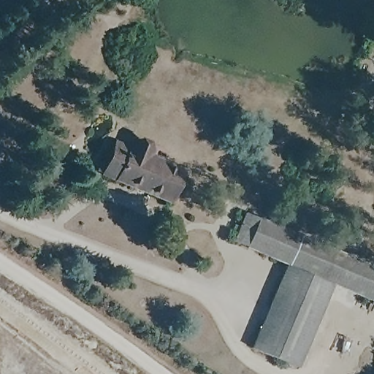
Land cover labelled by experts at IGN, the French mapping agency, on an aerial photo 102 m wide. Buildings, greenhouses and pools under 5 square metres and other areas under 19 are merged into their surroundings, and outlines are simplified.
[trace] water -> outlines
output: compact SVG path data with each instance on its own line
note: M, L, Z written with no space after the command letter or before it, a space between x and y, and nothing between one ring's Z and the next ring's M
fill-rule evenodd
M299 77L299 69L302 69L311 58L326 60L332 57L335 66L343 66L352 61L359 67L359 60L373 53L374 47L374 0L302 0L305 3L305 12L291 15L282 7L276 6L276 0L156 0L162 22L171 39L180 42L191 53L221 58L228 64L259 67L294 79Z

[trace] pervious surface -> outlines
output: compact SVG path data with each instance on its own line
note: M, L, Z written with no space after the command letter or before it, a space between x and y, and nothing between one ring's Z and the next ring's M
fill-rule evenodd
M3 254L0 257L0 273L4 278L15 280L35 297L44 299L61 313L76 318L79 323L110 343L112 348L127 356L148 374L172 374L124 335L114 332L104 320L93 316L88 310L89 307L86 304L73 297L70 292L64 295L51 285L10 259L10 256Z
M61 333L47 318L39 316L7 292L0 292L0 317L34 339L53 358L63 362L67 367L79 368L76 374L118 374L107 367L104 359L93 354L96 342L85 340L85 346L80 348L77 340Z
M25 367L19 364L12 352L4 349L0 354L0 374L25 374Z
M374 298L367 299L361 295L355 297L354 291L337 285L302 368L297 370L276 367L267 362L264 356L254 354L251 348L256 346L260 326L266 321L288 264L272 264L269 260L257 256L253 248L238 247L229 243L226 240L229 231L224 225L229 222L229 212L234 207L244 210L251 205L241 200L226 200L224 213L216 218L213 224L196 221L186 221L183 224L187 232L190 229L206 229L212 232L213 243L225 259L224 270L218 278L206 278L202 272L188 266L184 267L183 272L172 272L112 250L107 245L95 243L82 235L66 231L64 224L77 212L85 209L86 205L82 200L76 199L61 213L45 212L35 219L15 218L12 215L10 212L0 213L0 221L38 235L47 243L86 248L96 256L107 257L115 266L126 267L131 273L178 289L202 302L218 323L231 351L247 367L259 374L358 374L362 370L358 365L359 355L374 339Z

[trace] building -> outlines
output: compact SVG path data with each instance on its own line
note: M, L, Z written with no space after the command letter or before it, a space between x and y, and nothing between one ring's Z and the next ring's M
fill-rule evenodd
M188 178L186 164L178 164L168 155L158 155L152 140L139 139L133 145L126 146L120 140L115 143L110 165L101 174L105 178L121 178L127 183L136 184L142 188L142 194L148 194L146 202L149 199L162 199L169 203L171 200L181 200L181 191L186 187L184 180Z
M367 299L374 298L374 270L370 269L370 263L364 259L358 260L358 256L346 251L339 244L330 247L329 251L320 250L320 244L314 241L313 234L310 237L302 235L295 243L286 237L285 228L273 224L269 219L257 215L250 213L245 216L237 238L229 243L238 247L253 248L257 256L269 260L272 264L288 264L266 321L260 326L256 346L251 348L254 354L264 356L267 362L276 367L297 370L302 368L337 285L354 291L355 297L361 295Z

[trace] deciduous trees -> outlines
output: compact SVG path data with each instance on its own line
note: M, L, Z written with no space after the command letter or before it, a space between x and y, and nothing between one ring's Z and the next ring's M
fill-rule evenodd
M145 247L150 250L153 248L165 259L177 260L178 256L187 251L187 232L183 224L178 215L174 215L172 221L161 222L149 232Z
M346 247L355 247L364 241L364 234L361 231L361 226L365 224L361 216L362 207L348 206L345 212L332 213L330 218L318 216L313 222L313 234L314 241L320 244L320 250L329 251L330 247L339 244L346 251Z
M3 254L10 256L18 253L19 256L37 260L37 253L41 253L41 248L29 245L22 237L15 237L0 229L0 257Z
M355 108L352 110L354 118L349 127L351 131L346 134L349 143L368 142L374 149L374 108L370 110L370 104L364 95L356 96Z
M235 178L226 177L225 180L216 181L210 187L212 199L199 206L202 210L209 210L210 215L216 218L224 213L226 200L241 200L244 188Z
M158 58L156 48L171 50L174 47L171 39L162 22L156 0L127 0L127 4L139 6L148 19L145 23L131 20L126 25L105 32L102 39L102 57L108 69L117 75L114 82L118 88L111 93L110 105L105 110L114 112L120 118L129 117L133 112L133 93L136 92L139 83L149 75L153 63Z
M305 3L302 0L276 0L276 6L282 7L291 15L305 12Z
M337 187L351 187L349 184L355 180L356 174L340 164L339 155L330 155L327 161L324 161L320 158L321 149L318 149L307 161L302 159L294 164L292 159L282 159L279 169L286 174L288 188L270 213L269 219L273 224L285 228L286 225L297 221L298 210L302 206L314 205L316 200L330 202L336 199Z
M251 205L244 210L234 207L229 212L229 222L224 225L229 231L226 240L229 243L237 238L245 216L250 213L257 215L256 207Z
M111 193L110 188L107 188L108 180L105 178L101 174L88 150L77 153L76 164L92 171L95 177L85 183L72 183L70 190L58 183L58 177L63 172L61 162L73 148L63 143L69 131L61 127L60 117L47 111L42 121L38 121L37 124L39 139L29 143L29 149L35 150L31 164L22 165L16 159L16 164L22 168L22 175L18 186L15 187L16 200L9 202L15 209L12 215L15 218L35 219L45 212L61 213L76 199L82 200L105 203L108 197L111 197Z
M95 297L86 304L89 307L96 308L104 316L123 321L131 333L142 339L146 345L152 346L159 354L171 356L177 367L186 367L196 374L212 374L215 371L213 368L203 367L202 364L197 365L191 361L190 352L178 343L177 337L181 337L183 330L177 332L174 327L169 326L169 333L165 335L153 321L146 324L145 321L137 320L129 310L104 294L101 291L96 292Z
M79 98L73 98L72 102L83 120L102 107L99 93L104 92L111 82L105 79L104 75L88 72L82 80L85 82L85 88L77 88Z
M224 150L224 155L237 155L240 161L250 168L250 174L257 174L257 167L260 164L267 165L264 148L273 137L273 121L263 117L263 111L251 108L250 111L243 110L243 115L237 118L238 124L234 131L226 134L224 146L219 150Z
M39 6L38 0L0 0L0 37L7 38L13 34L19 22L31 19L35 25L38 20L44 19L48 13L44 7Z

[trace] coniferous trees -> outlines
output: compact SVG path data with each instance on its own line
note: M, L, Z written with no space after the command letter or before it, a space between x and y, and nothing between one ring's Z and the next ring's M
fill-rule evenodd
M61 260L50 267L44 276L51 285L64 295L70 292L73 297L86 304L95 297L96 292L101 291L104 294L108 286L95 280L95 266L82 256Z
M188 313L184 313L183 316L171 316L168 320L169 326L174 327L177 332L183 330L181 337L196 333L199 317Z
M115 266L110 288L134 289L131 273L126 267Z
M19 58L25 61L25 66L20 67L13 75L0 75L0 98L15 96L12 93L12 86L18 85L26 76L32 75L32 82L35 79L63 79L70 64L75 61L70 56L70 47L75 44L72 32L85 34L91 29L91 23L96 22L96 15L105 15L120 1L127 4L127 0L69 0L66 9L63 10L69 18L61 20L64 31L51 32L50 41L39 48L22 45Z

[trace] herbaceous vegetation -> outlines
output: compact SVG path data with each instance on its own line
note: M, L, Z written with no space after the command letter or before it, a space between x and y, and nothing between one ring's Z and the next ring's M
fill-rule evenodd
M145 321L146 324L153 321L165 335L169 333L169 326L168 320L171 316L183 316L184 313L188 313L199 317L196 333L181 337L177 337L178 343L190 352L191 361L197 365L202 364L203 367L213 368L215 371L212 374L259 374L247 367L231 351L218 323L202 302L178 289L131 273L134 289L110 288L115 266L107 257L96 256L86 248L47 243L38 235L0 221L0 229L15 237L22 237L29 245L41 248L41 253L37 253L37 260L19 256L18 253L10 256L10 259L51 285L44 276L50 267L61 260L82 256L95 266L95 280L108 286L104 294L129 310L137 320Z
M39 48L50 41L51 32L64 31L61 20L69 18L63 10L66 9L69 0L38 0L39 6L44 7L48 13L44 19L38 20L35 25L31 19L19 22L13 34L7 38L0 37L0 75L13 75L20 67L25 66L25 61L19 58L22 45Z
M15 280L4 278L0 273L0 292L7 292L39 316L47 318L61 333L77 340L80 348L85 346L85 340L96 342L93 354L104 359L107 367L118 374L148 374L127 356L112 348L110 343L79 323L76 318L61 313L44 299L35 297Z
M63 362L53 358L34 339L0 317L0 354L4 349L12 352L19 364L25 367L25 374L76 374L79 368L67 367Z
M362 370L358 374L374 374L374 339L359 355L358 365Z
M177 367L171 356L159 354L152 346L146 345L142 339L131 333L123 321L104 316L96 308L89 307L88 310L93 316L104 320L114 332L124 335L172 374L196 374L186 367Z
M216 218L210 215L209 210L202 210L199 206L212 199L210 187L216 181L225 180L226 177L235 178L244 188L241 200L251 205L256 207L257 215L269 219L270 213L288 188L286 174L279 169L282 159L292 159L294 164L302 159L307 161L318 149L321 149L320 158L324 161L327 161L330 155L339 155L340 164L356 174L355 180L349 184L351 187L337 187L336 199L330 202L316 200L314 205L302 206L298 210L297 221L286 225L285 228L286 237L295 243L302 235L310 237L313 234L313 222L318 216L330 218L332 213L345 212L348 206L362 207L361 216L365 224L361 226L361 231L364 234L364 241L355 247L346 247L346 251L358 256L358 260L364 259L370 263L370 269L374 270L374 149L368 142L349 143L346 134L351 131L349 127L354 118L352 110L355 108L356 96L364 95L370 104L370 110L374 108L374 47L373 53L359 60L359 67L352 61L343 66L335 66L332 57L326 60L311 58L302 69L299 69L299 77L294 79L259 67L228 64L221 58L191 53L180 42L171 39L174 47L171 50L156 48L158 58L153 63L149 75L139 83L136 92L133 93L133 112L129 117L120 118L114 112L105 110L110 105L111 93L118 88L114 82L117 75L108 69L102 57L102 39L105 32L126 25L131 20L145 23L148 19L139 6L127 4L120 1L105 15L96 15L96 22L91 23L91 29L85 34L72 32L75 44L70 47L70 56L75 61L70 64L63 79L35 79L32 82L32 75L26 76L18 85L12 86L12 93L15 96L0 98L0 213L10 212L12 215L15 209L9 202L16 200L15 187L18 186L22 175L22 168L16 164L16 159L22 165L31 164L35 150L29 149L29 143L39 139L37 124L38 121L42 121L47 111L60 117L61 127L69 131L63 143L73 148L61 162L63 172L58 177L58 183L70 190L72 183L85 183L95 177L92 171L76 164L77 153L88 150L101 174L110 165L115 143L120 140L126 146L133 145L139 139L152 140L158 155L168 155L178 164L186 164L188 178L184 180L186 187L181 191L181 200L171 200L169 203L162 199L149 199L146 202L148 194L142 194L142 188L136 184L127 183L121 178L105 178L108 180L107 188L110 188L111 193L111 197L108 197L105 203L82 200L86 205L85 209L77 212L64 224L66 231L82 235L95 243L107 245L112 250L172 272L183 272L184 267L188 266L202 272L206 278L218 278L224 270L225 259L213 243L212 232L206 229L190 229L187 232L187 251L178 256L177 260L165 259L153 248L150 250L145 247L149 232L161 222L172 221L174 215L178 215L183 224L186 221L196 221L213 224ZM88 72L104 75L105 79L111 82L104 92L99 93L102 107L83 120L72 102L73 98L79 98L77 88L85 88L85 82L82 80ZM273 121L273 137L264 148L267 165L260 164L257 167L257 174L250 174L250 168L240 161L237 155L224 155L224 150L219 150L224 146L226 134L234 131L238 124L237 118L243 115L243 110L250 111L251 108L263 111L263 117Z

